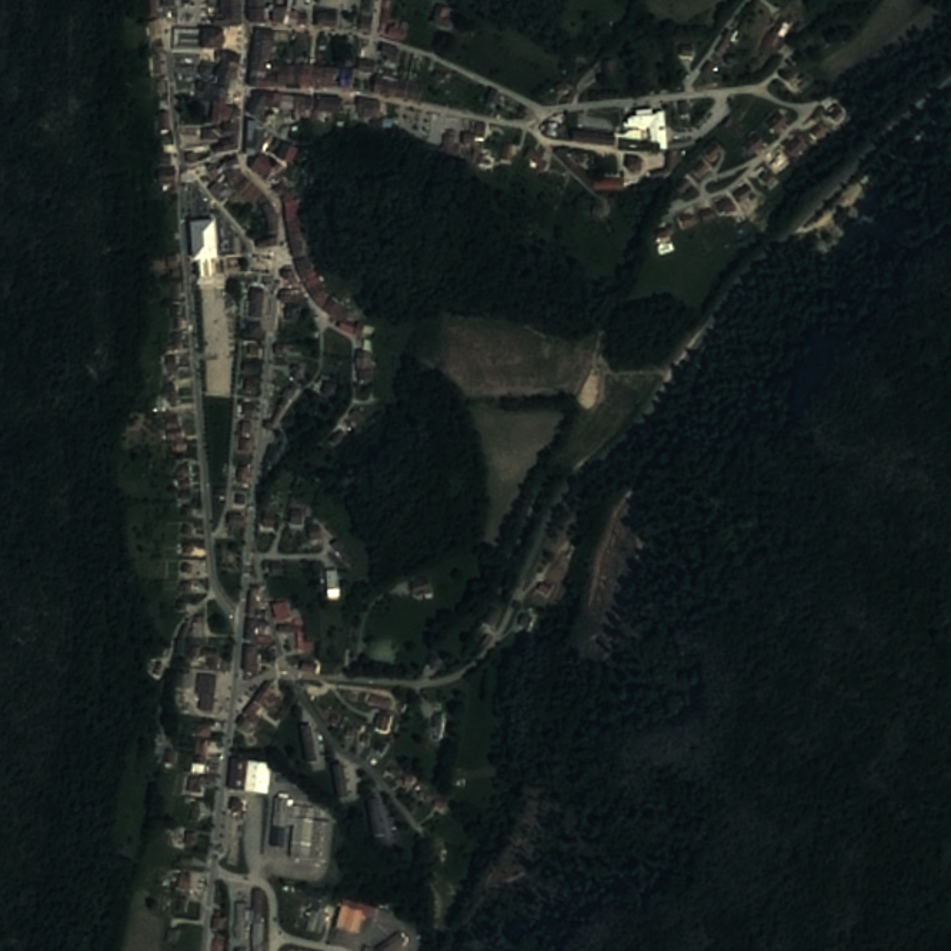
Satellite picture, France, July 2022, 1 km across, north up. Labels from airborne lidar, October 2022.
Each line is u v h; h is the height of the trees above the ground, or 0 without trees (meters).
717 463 20
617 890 7
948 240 17
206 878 0
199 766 0
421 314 14
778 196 0
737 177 0
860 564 17
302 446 7
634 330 12
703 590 8
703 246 0
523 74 0
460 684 0
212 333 0
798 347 20
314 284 0
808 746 7
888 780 14
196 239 0
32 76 8
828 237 9
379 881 8
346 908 0
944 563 10
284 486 0
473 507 9
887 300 6
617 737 10
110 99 26
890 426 8
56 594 11
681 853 21
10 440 11
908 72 32
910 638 18
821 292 9
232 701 0
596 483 21
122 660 14
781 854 13
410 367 8
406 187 9
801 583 10
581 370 0
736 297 11
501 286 15
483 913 6
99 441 34
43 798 14
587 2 0
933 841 11
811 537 8
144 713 20
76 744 19
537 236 7
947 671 15
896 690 14
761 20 0
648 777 7
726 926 10
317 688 0
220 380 0
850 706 13
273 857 0
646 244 20
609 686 7
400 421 8
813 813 18
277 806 0
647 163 0
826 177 23
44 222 9
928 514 12
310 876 0
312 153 8
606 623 0
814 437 12
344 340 0
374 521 8
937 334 13
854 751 13
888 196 17
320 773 0
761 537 17
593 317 21
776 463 7
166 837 0
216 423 8
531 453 0
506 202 15
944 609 10
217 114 0
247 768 0
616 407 0
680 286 0
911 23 0
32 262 17
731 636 20
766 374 14
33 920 11
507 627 0
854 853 6
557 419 0
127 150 6
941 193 25
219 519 0
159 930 0
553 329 25
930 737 7
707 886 8
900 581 15
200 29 0
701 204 0
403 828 18
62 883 23
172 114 0
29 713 9
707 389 19
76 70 12
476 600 23
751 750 9
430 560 16
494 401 6
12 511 9
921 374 16
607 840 10
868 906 9
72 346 9
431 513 21
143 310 23
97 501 16
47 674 11
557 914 22
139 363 19
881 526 6
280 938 0
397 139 17
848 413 9
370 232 8
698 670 12
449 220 29
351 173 6
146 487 0
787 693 13
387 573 17
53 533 8
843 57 0
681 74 9
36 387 7
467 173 26
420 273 12
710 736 6
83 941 12
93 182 12
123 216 17
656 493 9
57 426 13
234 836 0
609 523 0
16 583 6
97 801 19
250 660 0
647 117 0
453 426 17
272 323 0
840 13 7
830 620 8
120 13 23
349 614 9
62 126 8
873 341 12
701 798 20
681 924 8
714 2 0
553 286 12
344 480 28
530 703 25
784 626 10
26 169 6
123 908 10
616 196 8
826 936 9
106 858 24
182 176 0
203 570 0
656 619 6
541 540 0
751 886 7
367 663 9
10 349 13
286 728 0
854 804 7
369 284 11
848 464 7
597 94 14
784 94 7
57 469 8
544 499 10
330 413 22
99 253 8
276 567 0
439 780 12
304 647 0
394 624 0
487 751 0
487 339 0
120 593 13
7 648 6
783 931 9
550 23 13
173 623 0
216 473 0
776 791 6
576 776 11
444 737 0
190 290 0
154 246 15
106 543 24
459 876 0
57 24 9
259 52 0
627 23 12
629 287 10
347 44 7
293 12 0
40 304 18
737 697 8
